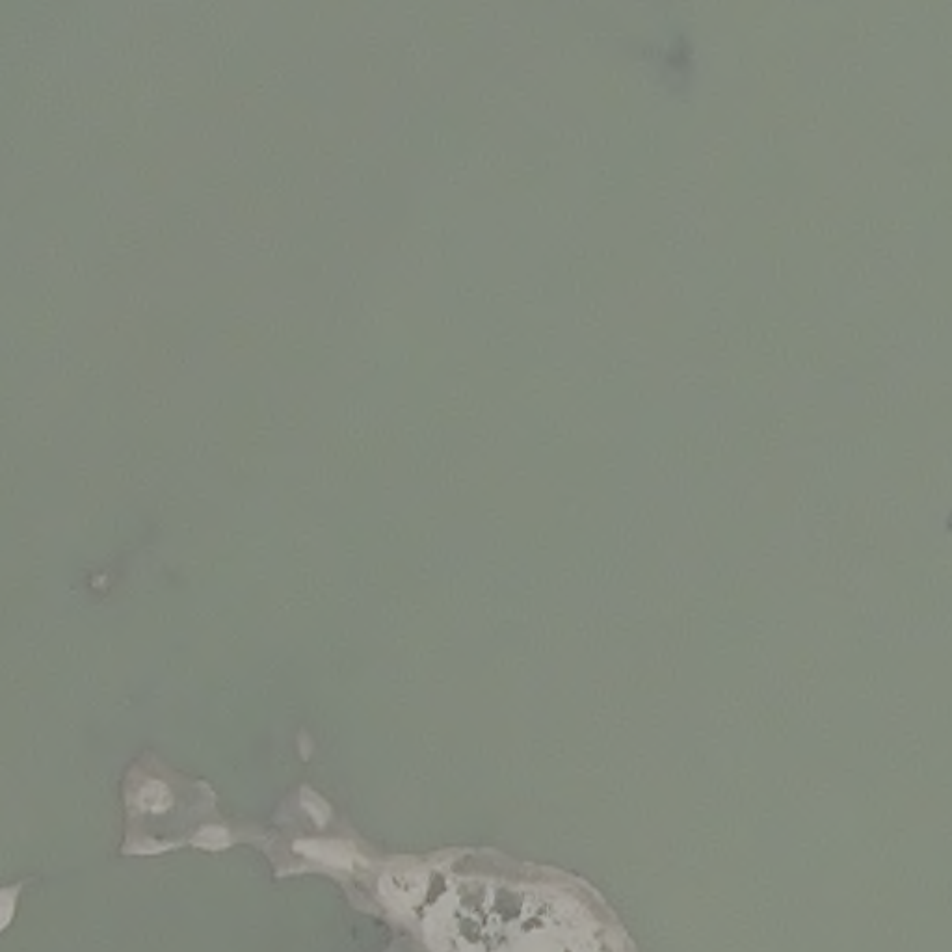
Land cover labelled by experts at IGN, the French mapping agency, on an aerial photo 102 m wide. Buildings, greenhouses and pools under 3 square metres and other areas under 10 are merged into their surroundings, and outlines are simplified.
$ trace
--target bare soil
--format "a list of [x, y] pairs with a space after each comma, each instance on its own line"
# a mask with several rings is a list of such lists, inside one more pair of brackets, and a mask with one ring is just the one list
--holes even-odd
[[368, 855], [357, 844], [350, 818], [335, 814], [312, 788], [290, 796], [275, 818], [223, 826], [216, 788], [208, 781], [171, 777], [156, 755], [141, 755], [126, 777], [130, 855], [160, 855], [175, 848], [219, 852], [245, 844], [271, 859], [279, 878], [331, 874], [357, 911], [390, 919], [387, 952], [636, 952], [606, 896], [584, 878], [573, 878], [558, 866], [509, 859], [498, 848], [446, 848], [424, 859]]

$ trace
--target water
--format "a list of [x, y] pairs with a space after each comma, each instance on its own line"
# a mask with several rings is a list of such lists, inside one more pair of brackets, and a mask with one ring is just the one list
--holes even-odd
[[312, 788], [335, 814], [350, 818], [357, 844], [368, 855], [424, 859], [446, 848], [498, 848], [509, 859], [558, 866], [573, 878], [584, 878], [606, 896], [636, 952], [952, 952], [952, 0], [0, 0], [0, 952], [387, 952], [390, 919], [357, 911], [331, 874], [279, 878], [271, 859], [245, 844], [219, 852], [175, 848], [160, 855], [130, 855], [126, 777], [141, 755], [156, 755], [171, 777], [208, 781], [216, 788], [223, 826], [275, 818], [290, 796]]

